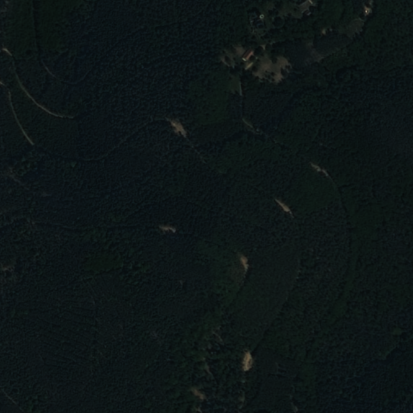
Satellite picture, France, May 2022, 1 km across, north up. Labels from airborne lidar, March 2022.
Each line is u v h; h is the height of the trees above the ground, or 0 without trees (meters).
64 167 28
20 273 23
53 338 17
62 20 28
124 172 16
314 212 26
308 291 20
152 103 20
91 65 19
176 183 24
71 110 11
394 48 27
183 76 17
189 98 20
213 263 20
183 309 9
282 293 19
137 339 16
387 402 21
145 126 19
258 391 18
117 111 23
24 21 13
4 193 16
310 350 34
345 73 29
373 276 28
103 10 25
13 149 12
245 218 21
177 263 18
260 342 21
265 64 0
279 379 22
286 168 28
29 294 19
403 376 20
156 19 20
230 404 32
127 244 21
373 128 20
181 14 23
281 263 18
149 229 18
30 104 11
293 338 21
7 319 21
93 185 20
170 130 23
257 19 14
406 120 19
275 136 26
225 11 24
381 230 20
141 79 18
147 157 11
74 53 21
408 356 22
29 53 25
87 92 24
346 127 23
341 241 25
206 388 31
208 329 27
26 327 22
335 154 18
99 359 17
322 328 30
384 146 17
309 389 34
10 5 7
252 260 20
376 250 25
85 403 15
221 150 25
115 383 18
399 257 23
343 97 31
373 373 29
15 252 24
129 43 25
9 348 26
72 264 16
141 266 14
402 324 38
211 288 17
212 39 29
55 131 11
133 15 20
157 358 16
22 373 24
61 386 19
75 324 15
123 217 18
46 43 22
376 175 20
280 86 10
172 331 11
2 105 21
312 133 26
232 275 0
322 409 35
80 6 23
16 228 21
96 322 14
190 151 27
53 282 18
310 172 22
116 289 18
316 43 20
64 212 29
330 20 20
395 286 25
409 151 22
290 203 21
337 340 25
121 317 16
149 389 19
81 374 19
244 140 26
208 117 29
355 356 26
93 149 17
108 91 9
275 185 23
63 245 19
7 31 6
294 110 26
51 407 20
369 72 34
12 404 20
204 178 25
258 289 16
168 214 29
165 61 23
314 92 25
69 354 16
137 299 17
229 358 31
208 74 29
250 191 23
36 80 13
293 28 24
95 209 25
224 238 20
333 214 27
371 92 30
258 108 16
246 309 17
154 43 19
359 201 23
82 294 18
